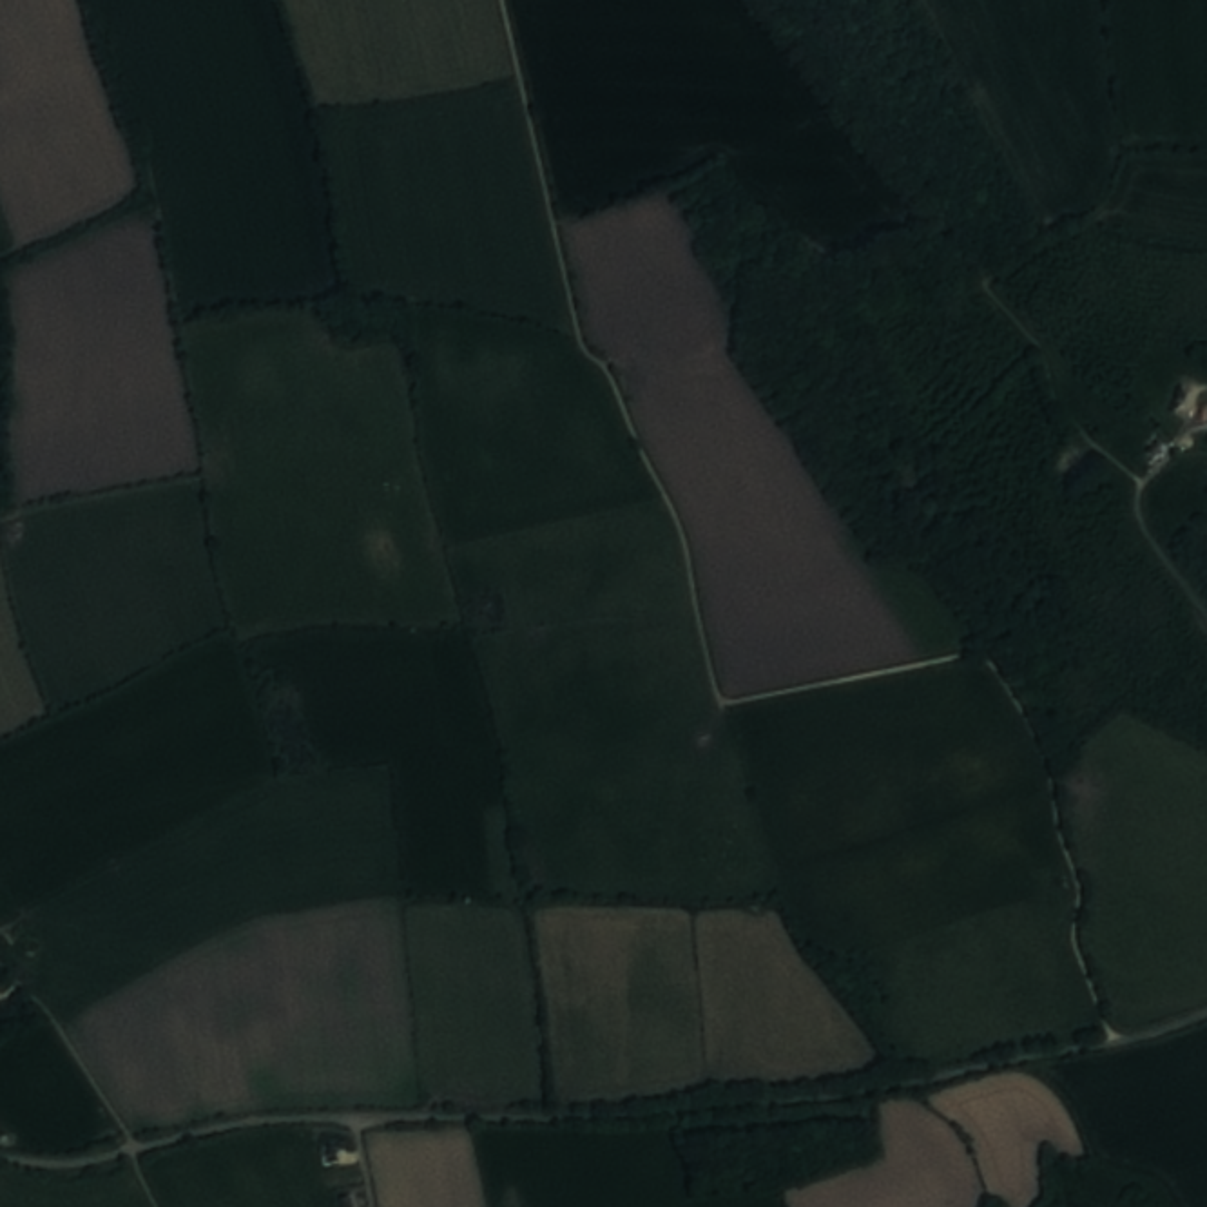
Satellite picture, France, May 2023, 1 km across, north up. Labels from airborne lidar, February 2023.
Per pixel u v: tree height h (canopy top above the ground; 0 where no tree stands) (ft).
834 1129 61
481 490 0
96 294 0
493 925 0
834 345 63
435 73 0
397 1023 0
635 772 0
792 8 53
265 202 0
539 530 0
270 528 0
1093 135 0
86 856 0
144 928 0
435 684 0
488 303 0
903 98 47
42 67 0
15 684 0
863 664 0
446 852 0
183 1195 0
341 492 0
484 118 0
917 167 57
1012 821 0
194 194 0
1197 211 0
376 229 0
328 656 0
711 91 0
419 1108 22
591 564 0
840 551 0
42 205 0
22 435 0
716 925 0
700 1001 0
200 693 0
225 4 0
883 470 42
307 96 32
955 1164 0
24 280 0
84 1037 0
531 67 0
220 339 0
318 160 43
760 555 0
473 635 18
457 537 0
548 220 0
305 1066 0
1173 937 0
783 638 0
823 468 49
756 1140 63
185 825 0
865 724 0
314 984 0
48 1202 0
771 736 0
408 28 0
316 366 0
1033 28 0
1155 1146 0
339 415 0
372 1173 0
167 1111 0
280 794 0
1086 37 0
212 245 0
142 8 0
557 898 35
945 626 0
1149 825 0
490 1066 0
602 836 0
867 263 77
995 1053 37
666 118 0
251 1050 0
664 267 0
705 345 0
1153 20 0
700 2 0
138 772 0
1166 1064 0
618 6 0
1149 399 0
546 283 0
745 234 56
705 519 0
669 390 0
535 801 0
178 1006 0
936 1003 0
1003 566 59
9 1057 0
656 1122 40
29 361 0
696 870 0
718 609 0
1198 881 0
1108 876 0
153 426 0
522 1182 0
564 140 0
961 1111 0
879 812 0
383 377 0
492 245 0
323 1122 0
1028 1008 0
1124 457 0
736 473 0
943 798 0
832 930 0
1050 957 0
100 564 0
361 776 0
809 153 0
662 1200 0
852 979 54
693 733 0
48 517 0
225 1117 25
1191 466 0
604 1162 0
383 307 55
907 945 0
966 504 30
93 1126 0
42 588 0
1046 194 0
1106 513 21
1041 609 54
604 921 0
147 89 0
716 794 0
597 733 0
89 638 0
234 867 0
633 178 0
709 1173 56
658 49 0
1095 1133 0
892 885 0
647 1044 0
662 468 0
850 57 52
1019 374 26
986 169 41
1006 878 0
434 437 0
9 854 0
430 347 0
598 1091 0
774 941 0
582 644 0
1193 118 0
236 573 0
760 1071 0
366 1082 0
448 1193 0
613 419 0
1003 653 51
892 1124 0
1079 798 0
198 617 0
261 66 0
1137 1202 31
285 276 0
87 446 0
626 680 0
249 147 0
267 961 0
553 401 0
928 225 76
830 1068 0
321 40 0
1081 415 0
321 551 0
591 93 0
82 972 0
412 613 0
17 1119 0
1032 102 0
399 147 0
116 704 0
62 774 0
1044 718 41
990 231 57
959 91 26
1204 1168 0
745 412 0
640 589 0
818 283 67
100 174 0
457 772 0
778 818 0
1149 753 0
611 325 0
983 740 0
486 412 0
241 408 0
